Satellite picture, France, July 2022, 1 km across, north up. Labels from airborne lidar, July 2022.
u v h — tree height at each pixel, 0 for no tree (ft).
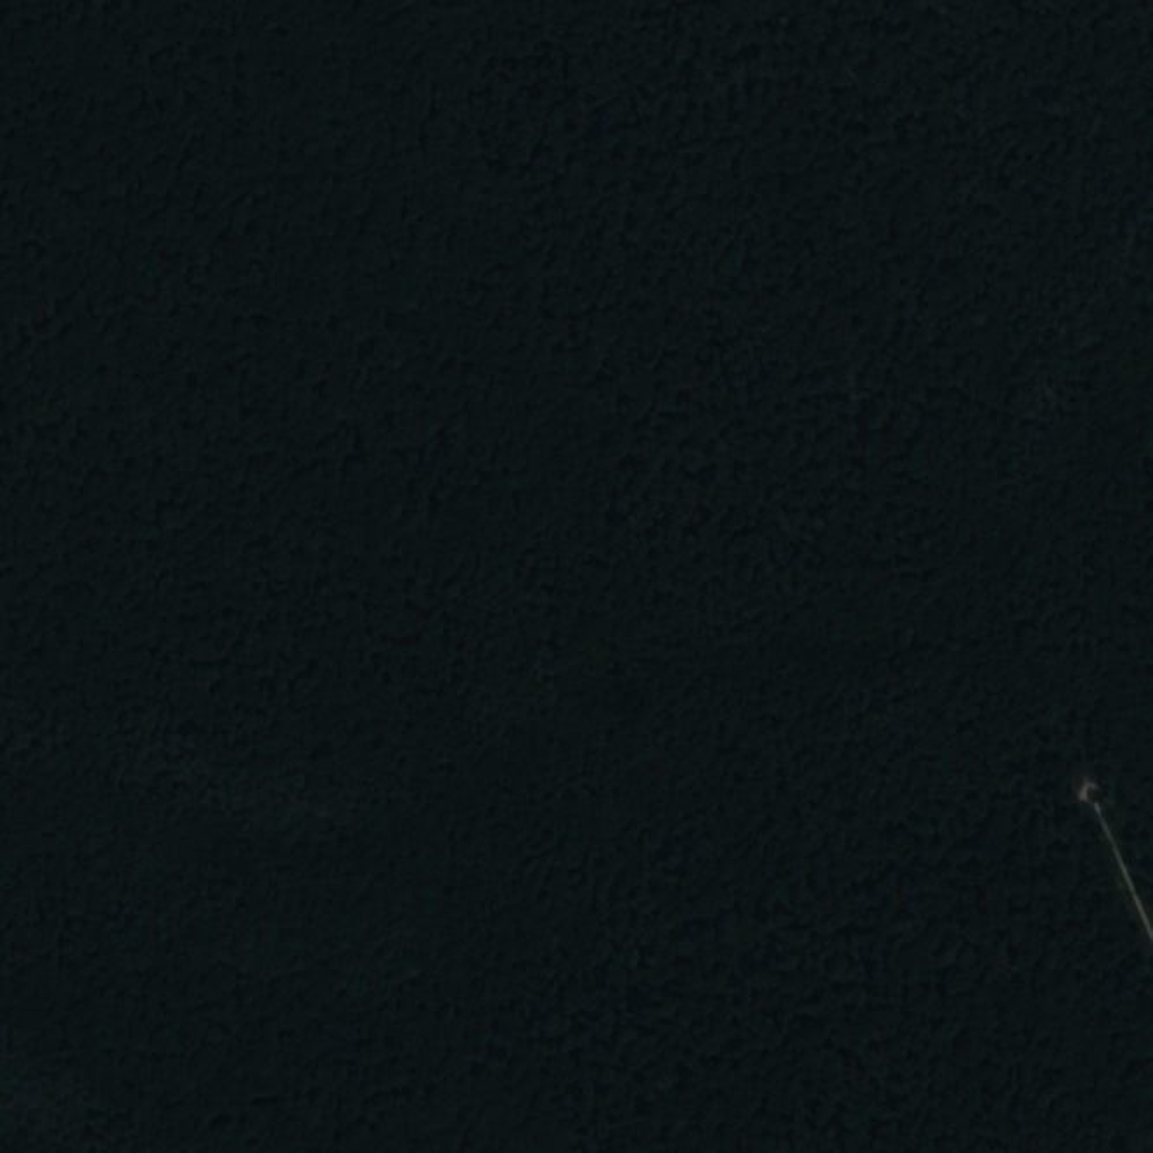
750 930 76
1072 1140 78
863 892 96
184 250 80
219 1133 87
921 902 95
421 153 86
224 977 68
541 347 100
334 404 83
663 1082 97
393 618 73
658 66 68
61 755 79
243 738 80
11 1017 87
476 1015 89
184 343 91
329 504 87
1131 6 87
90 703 82
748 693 74
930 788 64
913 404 71
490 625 70
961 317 71
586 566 81
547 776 77
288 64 85
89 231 84
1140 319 81
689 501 81
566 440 92
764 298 88
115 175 83
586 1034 89
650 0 86
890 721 63
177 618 78
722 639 72
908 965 102
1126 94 88
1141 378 71
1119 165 85
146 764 65
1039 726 59
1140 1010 86
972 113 81
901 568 50
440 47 100
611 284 85
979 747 67
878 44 84
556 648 73
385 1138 73
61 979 88
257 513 100
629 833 79
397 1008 76
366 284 87
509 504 84
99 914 61
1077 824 89
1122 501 79
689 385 78
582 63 88
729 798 74
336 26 94
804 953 85
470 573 72
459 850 79
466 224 85
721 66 45
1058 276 70
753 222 77
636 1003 88
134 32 85
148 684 78
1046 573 69
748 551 84
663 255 77
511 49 85
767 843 74
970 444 78
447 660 81
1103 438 75
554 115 82
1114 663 78
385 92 84
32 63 93
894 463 75
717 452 83
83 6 87
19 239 78
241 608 97
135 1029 90
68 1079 93
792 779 82
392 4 87
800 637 65
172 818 79
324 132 97
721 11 82
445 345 81
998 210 76
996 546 70
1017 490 69
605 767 75
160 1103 68
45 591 76
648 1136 79
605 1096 92
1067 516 71
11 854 74
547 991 100
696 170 78
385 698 73
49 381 83
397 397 94
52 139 85
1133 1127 89
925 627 72
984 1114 62
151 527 89
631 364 80
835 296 88
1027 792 55
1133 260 85
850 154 71
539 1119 94
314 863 65
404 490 81
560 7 91
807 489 78
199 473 92
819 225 77
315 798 83
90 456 49
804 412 72
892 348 29
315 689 84
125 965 71
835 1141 86
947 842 94
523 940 92
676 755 72
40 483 90
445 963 78
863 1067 90
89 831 80
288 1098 73
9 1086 97
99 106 85
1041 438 73
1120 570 80
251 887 70
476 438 87
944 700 71
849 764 70
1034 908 83
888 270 87
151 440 60
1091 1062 64
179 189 86
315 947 72
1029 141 76
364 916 74
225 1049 79
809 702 69
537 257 88
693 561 91
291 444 94
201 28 93
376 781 80
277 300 80
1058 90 81
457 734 72
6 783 78
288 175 98
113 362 76
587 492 80
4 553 95
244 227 97
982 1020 82
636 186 79
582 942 83
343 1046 81
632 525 78
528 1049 97
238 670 77
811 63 78
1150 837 77
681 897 92
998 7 79
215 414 89
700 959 90
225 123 79
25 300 85
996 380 60
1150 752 70
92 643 86
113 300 86
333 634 88
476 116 80
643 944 82
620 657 74
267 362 89
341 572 89
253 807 112
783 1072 89
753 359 65
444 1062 89
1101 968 77
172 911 68
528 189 85
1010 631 63
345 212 99
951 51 70
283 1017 71
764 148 83
